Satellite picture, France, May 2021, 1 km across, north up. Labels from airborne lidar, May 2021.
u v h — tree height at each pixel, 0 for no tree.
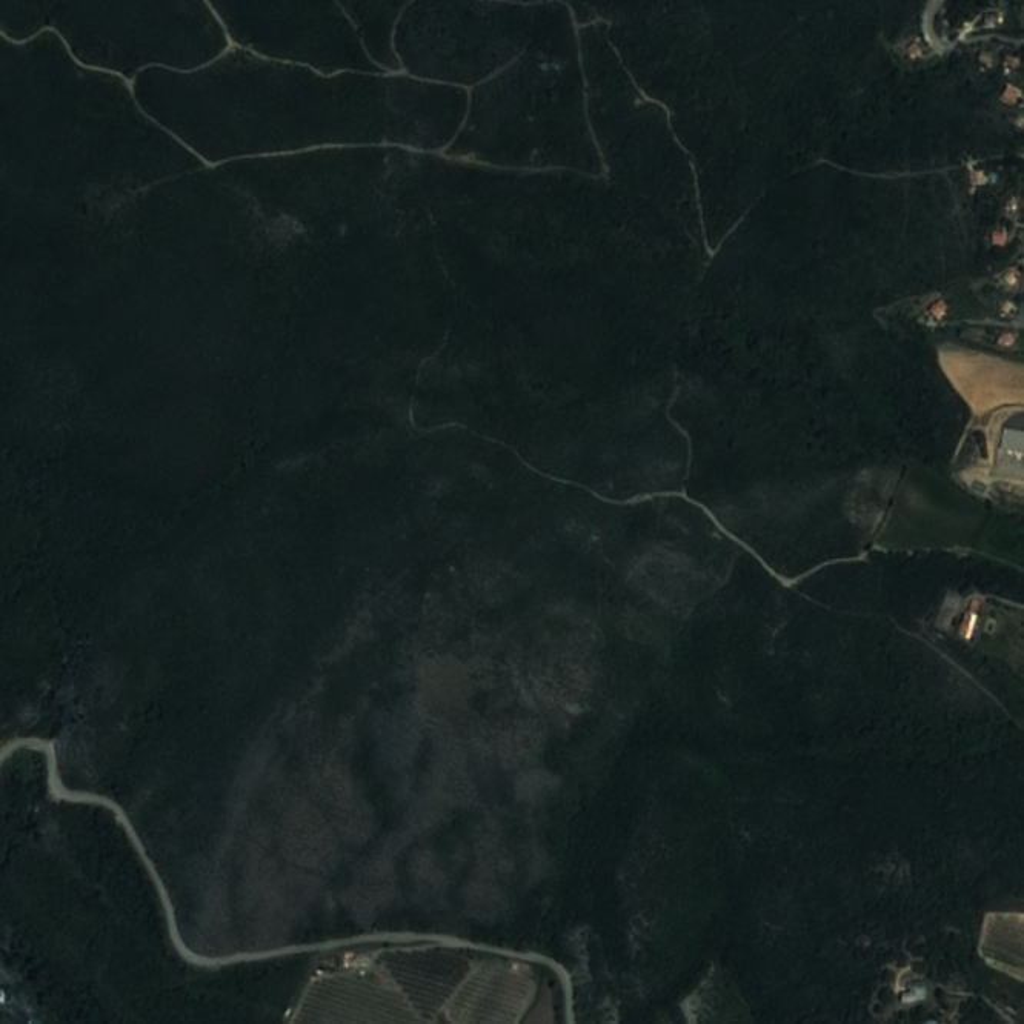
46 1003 9
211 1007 6
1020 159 6
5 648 6
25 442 6
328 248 6
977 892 7
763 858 6
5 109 5
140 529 6
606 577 8
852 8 6
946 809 9
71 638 8
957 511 0
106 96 6
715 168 6
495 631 0
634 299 5
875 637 7
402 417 0
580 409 6
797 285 6
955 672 0
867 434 9
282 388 7
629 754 6
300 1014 0
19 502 9
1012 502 0
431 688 0
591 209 7
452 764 0
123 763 6
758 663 6
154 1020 5
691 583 0
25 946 11
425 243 6
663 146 5
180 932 0
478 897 0
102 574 5
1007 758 7
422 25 8
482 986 0
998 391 0
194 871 0
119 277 7
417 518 0
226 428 6
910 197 0
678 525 0
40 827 11
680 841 7
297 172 5
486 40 5
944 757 8
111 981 6
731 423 6
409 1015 0
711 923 7
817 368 10
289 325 6
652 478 0
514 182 8
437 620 0
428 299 5
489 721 0
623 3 6
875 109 9
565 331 7
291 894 0
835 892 6
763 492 0
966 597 8
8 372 5
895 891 7
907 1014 9
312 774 0
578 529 0
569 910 7
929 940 9
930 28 0
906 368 6
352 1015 0
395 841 0
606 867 6
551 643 0
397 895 0
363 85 5
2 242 5
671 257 8
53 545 7
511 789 0
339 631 0
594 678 0
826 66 6
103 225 7
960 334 9
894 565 7
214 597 0
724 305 6
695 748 7
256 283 5
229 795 0
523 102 6
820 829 7
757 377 11
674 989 7
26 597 6
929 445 7
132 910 5
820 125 12
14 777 7
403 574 0
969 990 6
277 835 0
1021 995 0
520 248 5
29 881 5
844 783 7
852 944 7
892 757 7
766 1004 6
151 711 13
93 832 10
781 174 8
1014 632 0
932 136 5
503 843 0
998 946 0
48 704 7
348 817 0
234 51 0
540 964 0
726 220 9
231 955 0
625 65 7
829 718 7
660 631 0
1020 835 6
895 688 7
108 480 7
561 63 9
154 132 5
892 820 9
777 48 6
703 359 10
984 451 9
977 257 7
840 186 5
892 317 6
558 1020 7
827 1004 6
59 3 6
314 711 0
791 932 5
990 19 0
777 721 7
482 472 0
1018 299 7
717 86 6
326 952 0
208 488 7
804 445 5
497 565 0
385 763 0
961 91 8
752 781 6
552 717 0
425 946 0
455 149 6
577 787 6
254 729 0
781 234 6
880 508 0
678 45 6
